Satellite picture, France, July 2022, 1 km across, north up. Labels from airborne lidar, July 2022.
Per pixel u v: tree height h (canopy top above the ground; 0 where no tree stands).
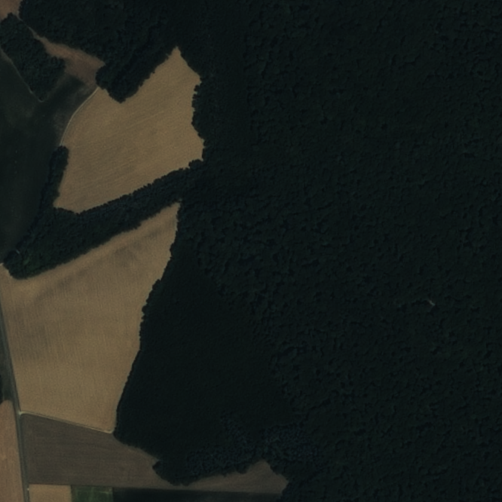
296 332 28
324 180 24
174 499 0
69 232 12
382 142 27
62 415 0
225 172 24
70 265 0
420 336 27
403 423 27
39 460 0
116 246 0
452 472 24
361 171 22
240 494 0
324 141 23
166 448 14
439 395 29
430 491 28
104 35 29
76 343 0
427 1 24
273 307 30
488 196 27
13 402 0
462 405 25
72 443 0
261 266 32
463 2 27
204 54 18
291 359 29
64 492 0
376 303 28
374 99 24
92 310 0
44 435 0
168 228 0
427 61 26
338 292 30
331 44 31
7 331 0
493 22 27
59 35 18
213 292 10
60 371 0
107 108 0
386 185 24
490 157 20
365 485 27
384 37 31
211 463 22
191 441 14
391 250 27
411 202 27
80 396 0
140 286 0
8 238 0
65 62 20
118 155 0
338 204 24
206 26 17
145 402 14
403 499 22
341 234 26
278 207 20
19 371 0
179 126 0
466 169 27
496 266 30
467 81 30
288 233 30
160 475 13
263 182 20
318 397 27
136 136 0
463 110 26
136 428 14
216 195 16
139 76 25
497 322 28
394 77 29
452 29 25
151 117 0
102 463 0
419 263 29
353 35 29
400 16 25
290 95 31
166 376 12
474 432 26
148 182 0
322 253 26
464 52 26
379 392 29
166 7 21
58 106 0
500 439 28
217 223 27
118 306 0
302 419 24
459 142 21
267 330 14
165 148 0
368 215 30
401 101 27
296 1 30
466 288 30
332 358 29
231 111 18
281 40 27
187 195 15
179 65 0
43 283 0
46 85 15
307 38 29
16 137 0
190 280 13
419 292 11
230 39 17
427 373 27
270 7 28
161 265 0
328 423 25
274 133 27
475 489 26
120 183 0
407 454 27
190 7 17
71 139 0
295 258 31
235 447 22
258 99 26
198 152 0
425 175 27
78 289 0
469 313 26
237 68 17
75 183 0
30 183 0
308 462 11
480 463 27
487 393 25
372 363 28
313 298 24
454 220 25
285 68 27
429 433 28
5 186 0
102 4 30
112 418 0
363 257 28
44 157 0
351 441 21
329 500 29
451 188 26
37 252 20
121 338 0
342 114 26
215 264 23
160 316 15
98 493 0
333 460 23
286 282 31
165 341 15
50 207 19
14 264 16
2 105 0
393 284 30
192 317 13
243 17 19
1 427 0
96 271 0
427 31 26
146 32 26
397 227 27
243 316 10
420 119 26
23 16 20
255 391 9
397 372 27
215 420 13
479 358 26
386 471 25
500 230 29
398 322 30
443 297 30
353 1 30
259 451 22
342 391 24
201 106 19
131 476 0
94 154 0
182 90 0
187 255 12
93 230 22
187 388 11
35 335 0
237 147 17
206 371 11
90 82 0
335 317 30
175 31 20
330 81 26
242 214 25
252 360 8
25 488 0
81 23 33
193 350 11
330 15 26
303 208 29
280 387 8
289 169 19
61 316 0
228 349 9
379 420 25
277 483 0
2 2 0
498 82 29
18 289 0
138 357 9
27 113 0
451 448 27
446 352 29
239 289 23
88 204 0
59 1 27
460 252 29
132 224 26
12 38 11
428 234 28
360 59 26
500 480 25
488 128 27
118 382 0
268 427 11
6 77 0
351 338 25
